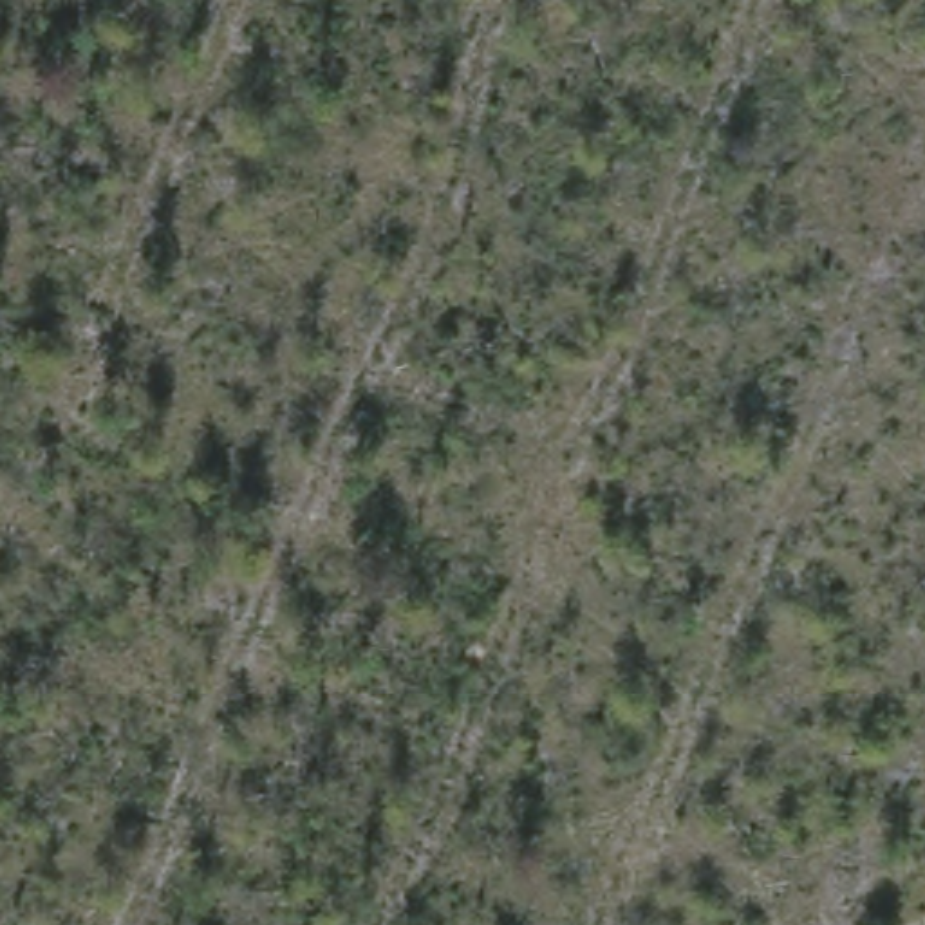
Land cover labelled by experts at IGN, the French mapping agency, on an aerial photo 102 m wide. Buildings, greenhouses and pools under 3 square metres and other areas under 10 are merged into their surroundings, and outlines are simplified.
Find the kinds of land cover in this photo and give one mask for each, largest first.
<instances>
[{"label":"deciduous trees","instance_id":"1","mask_svg":"<svg viewBox=\"0 0 925 925\"><path fill-rule=\"evenodd\" d=\"M737 0H0V925H585L582 918L589 892L582 885V874L571 867V853L560 849L542 827L546 820L575 824L589 813L625 809L647 773V759L640 752L650 755L665 737V708L658 705V694L647 676H640V690L632 697H625L614 647L621 636L640 640L636 629L647 618L683 621L694 614V607H687L679 596L690 567H701L705 575L719 578L730 571L733 542L744 535V528L755 524L748 513L733 509V499L773 481L795 437L788 426L759 423L744 441L733 419L737 390L744 383H755L766 390L770 408L791 412L795 379L784 376V361L777 354L741 372L733 369V358L723 354L715 372H705L697 347L683 340L650 336L636 354L629 387L614 379L600 387V376H556L546 350L556 347L571 358H600L607 332L625 325L629 311V293H611V278L618 257L632 253V246L611 224L607 199L618 188L614 163L625 159L632 170H647L650 163H658L654 141L661 134H640L629 123L621 98L632 87L614 79V69L625 65L632 51H643L668 69H690L697 61L712 72L719 33L730 29ZM766 914L755 900L748 903L744 896L730 892L719 907L701 900L694 892V864H658V871L643 882L640 900L618 907V925H762ZM856 925H900V889L892 882H878L864 900V914Z\"/></svg>","mask_w":925,"mask_h":925},{"label":"coniferous trees","instance_id":"2","mask_svg":"<svg viewBox=\"0 0 925 925\"><path fill-rule=\"evenodd\" d=\"M614 79L632 87L621 98L629 123L640 134H661L654 141L658 163H650L647 170H632L625 159L614 163L618 188L607 199L611 224L632 246V253L618 257L611 278V293H629V311L625 325L607 332L600 358H571L556 347L546 350L556 376H600V387L614 379L629 387L636 354L650 336L683 340L697 347L705 372H715L723 354L733 358V369L741 372L777 354L784 361V376L795 379L791 412L770 408L766 390L755 383H744L737 390L733 419L744 441L759 423L788 426L795 437L773 481L733 499V509L748 513L755 524L744 528V535L733 542L730 571L719 578L705 575L701 567H690L679 596L687 607H694V614L683 621L647 618L636 629L640 640L621 636L614 647L625 697H632L640 690V676H647L658 694V705L665 708L676 701L679 690L694 701L715 697L694 741L683 788L676 795V820L733 824L741 860L762 864L773 856V849L795 853V846L820 842L831 831L860 820L864 813L885 820L882 867H889V874L896 871V860H925V835L911 831V799L903 795V788L889 784L874 766L889 762L882 741H911L918 726H925V712L903 705L914 690H921V676L914 672L907 683H900L878 661V654L889 650V640L907 625L925 629V0H737L730 29L719 33L712 72L697 61L690 69H668L643 51H632L625 65L614 69ZM694 892L701 900L719 907L730 892L712 856H701L694 864Z\"/></svg>","mask_w":925,"mask_h":925},{"label":"herbaceous vegetation","instance_id":"3","mask_svg":"<svg viewBox=\"0 0 925 925\"><path fill-rule=\"evenodd\" d=\"M878 661L900 683H907L914 672L921 676V690H914L903 705L925 712V629L907 625L889 640V650L878 654ZM715 697L694 701L679 690L676 701L665 708V737L650 755L640 752L647 759V773L625 809L589 813L575 824L546 820L542 827L560 849L571 853V867L582 874V885L589 892L582 918L585 925H618V907L640 900L643 882L658 871V864H694L701 856H712L730 892L744 896L748 903L755 900L766 914L762 925H856L864 914V900L878 882H892L900 889V925H925V860H896V871L889 874V867H882L885 820L864 813L860 820L831 831L820 842L795 846V853L773 849V856L762 864L741 860L733 824L676 820V795L683 788L694 741ZM889 762L874 766L889 784L903 788V795L911 799V831L925 835V726H918L911 741H882Z\"/></svg>","mask_w":925,"mask_h":925}]
</instances>
